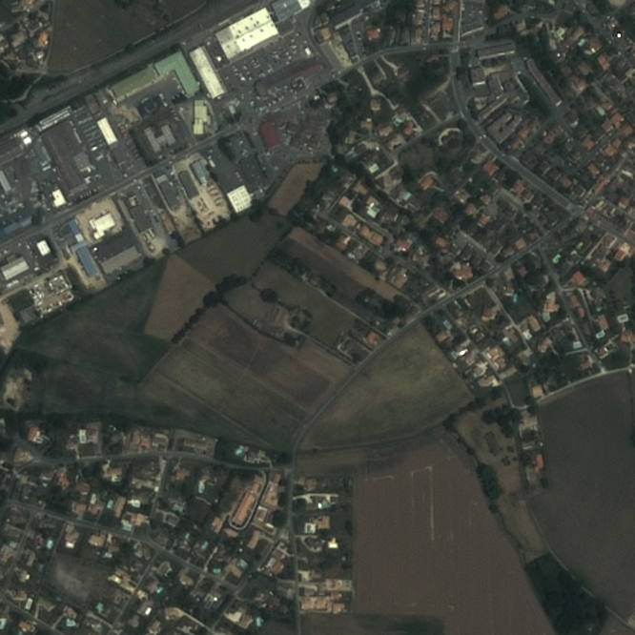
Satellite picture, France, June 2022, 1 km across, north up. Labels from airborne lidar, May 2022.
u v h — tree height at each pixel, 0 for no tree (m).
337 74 0
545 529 0
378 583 0
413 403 0
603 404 0
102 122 0
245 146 0
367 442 0
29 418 7
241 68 0
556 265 8
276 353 0
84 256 0
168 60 0
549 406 0
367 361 0
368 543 0
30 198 0
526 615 0
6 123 0
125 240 0
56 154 0
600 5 13
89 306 0
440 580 0
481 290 0
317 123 0
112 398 0
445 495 0
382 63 0
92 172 0
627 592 0
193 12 0
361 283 0
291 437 0
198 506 0
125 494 6
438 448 0
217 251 0
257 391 0
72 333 0
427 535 0
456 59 0
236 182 0
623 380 0
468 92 0
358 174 14
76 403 0
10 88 16
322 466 0
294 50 0
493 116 8
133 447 0
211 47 0
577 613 22
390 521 0
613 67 6
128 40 0
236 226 0
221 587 6
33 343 0
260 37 0
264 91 0
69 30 0
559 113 0
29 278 0
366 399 0
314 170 0
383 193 11
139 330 0
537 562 12
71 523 0
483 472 29
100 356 0
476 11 0
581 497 0
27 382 14
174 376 0
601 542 0
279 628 0
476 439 0
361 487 0
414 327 0
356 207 8
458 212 8
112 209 0
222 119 0
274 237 0
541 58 14
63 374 0
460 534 0
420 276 8
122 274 8
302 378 0
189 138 0
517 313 0
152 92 0
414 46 0
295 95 0
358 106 10
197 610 8
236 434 0
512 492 0
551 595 19
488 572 0
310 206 0
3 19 0
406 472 0
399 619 0
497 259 10
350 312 0
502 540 0
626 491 0
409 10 9
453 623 0
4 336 0
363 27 0
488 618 0
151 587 0
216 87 0
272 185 7
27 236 0
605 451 0
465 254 0
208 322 0
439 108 0
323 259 0
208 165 11
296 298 0
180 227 0
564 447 0
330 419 0
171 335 0
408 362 0
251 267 0
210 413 0
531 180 0
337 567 0
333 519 0
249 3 0
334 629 0
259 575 6
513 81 10
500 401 0
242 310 0
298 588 0
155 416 0
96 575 0
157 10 6
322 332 0
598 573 0
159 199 0
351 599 0
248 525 0
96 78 0
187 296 0
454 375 0
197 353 0
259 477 8
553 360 15
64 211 0
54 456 11
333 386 0
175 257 0
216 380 0
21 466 0
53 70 0
